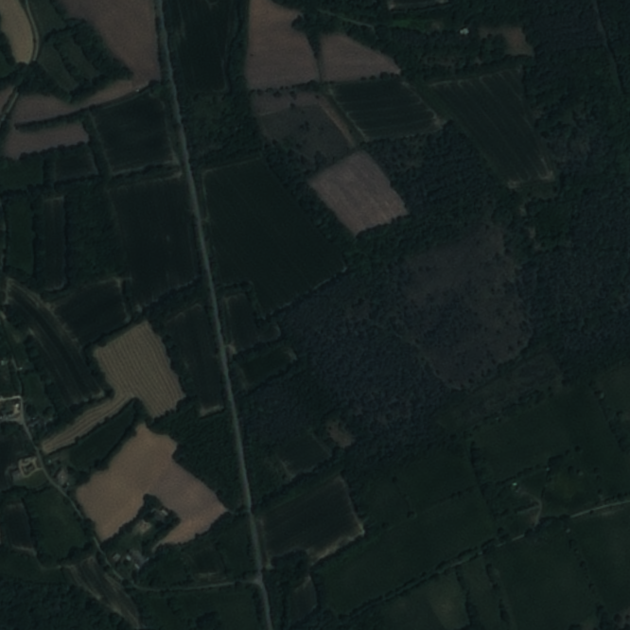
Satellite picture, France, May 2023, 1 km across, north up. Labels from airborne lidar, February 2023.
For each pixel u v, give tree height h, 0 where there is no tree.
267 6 0
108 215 19
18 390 6
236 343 0
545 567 0
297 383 10
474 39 12
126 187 0
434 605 0
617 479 0
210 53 0
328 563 15
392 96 0
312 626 19
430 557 0
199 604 0
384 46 12
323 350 14
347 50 0
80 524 5
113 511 0
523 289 15
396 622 0
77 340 0
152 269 0
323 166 12
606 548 0
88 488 0
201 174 0
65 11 11
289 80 0
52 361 0
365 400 18
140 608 15
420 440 14
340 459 17
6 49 15
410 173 8
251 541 9
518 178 0
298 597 0
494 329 0
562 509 0
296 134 0
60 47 16
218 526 14
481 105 0
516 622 0
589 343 22
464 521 0
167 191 0
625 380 0
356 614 11
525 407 10
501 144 0
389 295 18
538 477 0
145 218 0
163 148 0
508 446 0
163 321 14
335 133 0
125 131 0
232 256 0
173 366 13
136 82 0
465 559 9
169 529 13
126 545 0
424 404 17
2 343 14
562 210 13
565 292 15
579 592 0
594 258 16
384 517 0
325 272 0
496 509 7
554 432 0
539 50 15
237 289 12
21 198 18
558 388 0
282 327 17
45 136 0
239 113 10
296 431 19
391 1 0
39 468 0
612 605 0
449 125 12
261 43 0
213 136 7
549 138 23
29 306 0
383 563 0
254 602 11
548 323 15
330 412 12
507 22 11
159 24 8
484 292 0
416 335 6
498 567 0
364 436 14
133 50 0
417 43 15
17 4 0
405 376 17
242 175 0
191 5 0
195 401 18
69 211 14
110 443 0
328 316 13
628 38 15
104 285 0
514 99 0
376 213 0
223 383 13
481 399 0
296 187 17
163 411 0
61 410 16
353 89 0
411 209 11
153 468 0
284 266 0
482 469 11
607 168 24
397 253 10
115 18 0
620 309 20
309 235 0
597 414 0
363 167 0
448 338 11
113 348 0
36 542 12
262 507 17
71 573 0
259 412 14
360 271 17
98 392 0
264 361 0
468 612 12
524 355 13
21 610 24
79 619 24
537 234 7
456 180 13
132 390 0
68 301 0
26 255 0
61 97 17
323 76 0
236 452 8
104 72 14
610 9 13
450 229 13
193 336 0
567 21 12
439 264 0
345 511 0
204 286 12
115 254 23
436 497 0
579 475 6
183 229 0
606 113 20
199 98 6
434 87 0
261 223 0
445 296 11
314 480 18
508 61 13
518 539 0
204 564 0
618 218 18
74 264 16
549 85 15
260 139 10
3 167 12
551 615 0
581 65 18
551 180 0
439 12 12
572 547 9
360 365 11
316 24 16
